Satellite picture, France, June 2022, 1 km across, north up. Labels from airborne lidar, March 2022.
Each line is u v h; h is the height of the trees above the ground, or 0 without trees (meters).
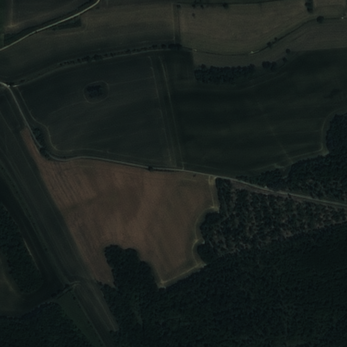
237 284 20
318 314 0
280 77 0
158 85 0
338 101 0
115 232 0
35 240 0
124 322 18
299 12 0
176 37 0
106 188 0
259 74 0
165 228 0
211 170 0
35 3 0
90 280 0
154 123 0
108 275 0
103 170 0
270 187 18
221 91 0
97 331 0
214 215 14
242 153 0
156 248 0
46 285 0
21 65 0
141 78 0
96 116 0
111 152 0
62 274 0
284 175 0
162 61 0
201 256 11
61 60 0
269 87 0
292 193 0
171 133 0
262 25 0
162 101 0
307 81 0
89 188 0
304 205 0
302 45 0
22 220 0
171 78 0
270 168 0
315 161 16
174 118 0
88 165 0
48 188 0
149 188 0
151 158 0
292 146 0
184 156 0
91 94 13
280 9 0
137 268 13
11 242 18
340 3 0
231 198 10
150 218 0
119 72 0
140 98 0
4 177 0
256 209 10
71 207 0
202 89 0
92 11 0
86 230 0
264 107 0
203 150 0
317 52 0
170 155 0
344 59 0
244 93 0
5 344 18
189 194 0
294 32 0
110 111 0
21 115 0
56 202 0
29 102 0
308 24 0
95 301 0
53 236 0
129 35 0
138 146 0
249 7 0
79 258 0
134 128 0
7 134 0
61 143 0
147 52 0
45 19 0
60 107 0
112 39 0
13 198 0
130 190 0
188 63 0
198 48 0
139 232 0
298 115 0
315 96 0
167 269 0
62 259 0
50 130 0
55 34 0
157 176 0
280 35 0
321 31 0
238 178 10
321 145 0
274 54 0
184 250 0
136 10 0
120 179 0
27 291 11
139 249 0
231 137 0
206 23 0
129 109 0
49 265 0
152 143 0
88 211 0
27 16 0
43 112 0
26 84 0
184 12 0
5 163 0
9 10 0
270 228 7
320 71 0
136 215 0
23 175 0
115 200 0
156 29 0
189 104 0
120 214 0
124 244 0
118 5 0
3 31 0
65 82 0
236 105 0
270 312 22
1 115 0
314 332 0
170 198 0
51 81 0
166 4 0
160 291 14
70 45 0
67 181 0
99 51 0
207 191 0
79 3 0
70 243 0
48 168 0
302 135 0
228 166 0
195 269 0
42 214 0
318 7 0
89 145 0
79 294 0
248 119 0
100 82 0
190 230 0
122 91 0
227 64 0
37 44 0
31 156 0
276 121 0
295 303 0
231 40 0
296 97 0
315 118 0
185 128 0
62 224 0
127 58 0
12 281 0
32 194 0
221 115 0
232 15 0
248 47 0
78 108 0
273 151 0
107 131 0
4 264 0
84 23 0
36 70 0
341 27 0
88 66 0
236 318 23
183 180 0
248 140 0
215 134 0
